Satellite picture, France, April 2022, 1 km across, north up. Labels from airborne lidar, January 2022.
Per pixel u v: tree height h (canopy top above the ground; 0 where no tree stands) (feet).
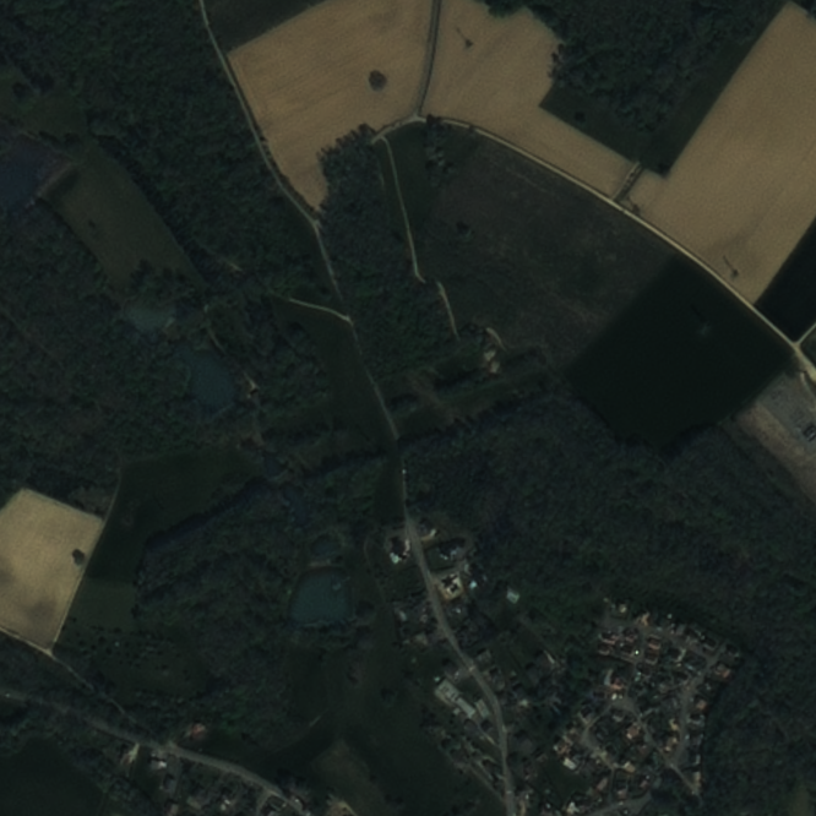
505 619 0
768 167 0
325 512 80
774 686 58
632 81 33
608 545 93
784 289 0
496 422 74
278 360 69
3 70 71
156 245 0
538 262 0
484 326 0
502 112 0
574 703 50
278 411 81
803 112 0
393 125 0
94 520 0
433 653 0
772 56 0
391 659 0
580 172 0
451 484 53
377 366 63
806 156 0
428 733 22
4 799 0
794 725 90
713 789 89
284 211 26
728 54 0
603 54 37
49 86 94
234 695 112
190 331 85
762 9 76
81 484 25
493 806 0
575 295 0
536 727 26
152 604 91
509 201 0
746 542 86
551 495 104
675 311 0
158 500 0
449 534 0
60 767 0
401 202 0
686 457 100
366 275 94
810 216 0
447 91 0
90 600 0
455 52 0
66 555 0
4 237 56
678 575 83
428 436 52
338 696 0
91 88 52
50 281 71
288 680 33
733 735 79
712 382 0
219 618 87
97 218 0
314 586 0
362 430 0
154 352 92
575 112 0
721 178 0
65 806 0
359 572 0
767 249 0
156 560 51
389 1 0
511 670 0
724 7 50
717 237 0
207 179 59
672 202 0
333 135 0
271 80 0
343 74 0
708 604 42
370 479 87
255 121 0
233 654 114
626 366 0
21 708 0
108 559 0
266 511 87
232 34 0
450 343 80
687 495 87
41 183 0
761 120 0
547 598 90
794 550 76
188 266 0
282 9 0
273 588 94
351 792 0
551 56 0
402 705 0
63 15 85
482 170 0
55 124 0
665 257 0
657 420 0
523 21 0
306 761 0
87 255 45
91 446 105
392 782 0
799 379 0
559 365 0
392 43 0
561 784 0
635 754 0
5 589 0
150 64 58
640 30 55
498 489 54
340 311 0
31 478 20
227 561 51
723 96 0
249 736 34
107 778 61
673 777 52
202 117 115
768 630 83
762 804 89
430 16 0
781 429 0
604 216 0
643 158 0
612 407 0
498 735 0
